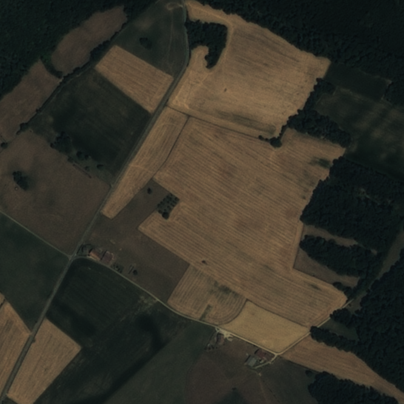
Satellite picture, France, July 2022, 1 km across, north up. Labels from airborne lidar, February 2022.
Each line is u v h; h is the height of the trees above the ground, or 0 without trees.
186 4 0
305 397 0
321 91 19
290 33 25
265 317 0
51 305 0
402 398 0
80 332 0
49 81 0
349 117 0
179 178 0
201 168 0
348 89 0
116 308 0
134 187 0
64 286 0
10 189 0
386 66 24
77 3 21
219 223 0
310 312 0
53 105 0
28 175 0
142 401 0
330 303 0
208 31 25
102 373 0
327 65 0
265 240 0
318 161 0
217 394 0
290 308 0
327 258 17
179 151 0
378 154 0
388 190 24
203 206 0
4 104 0
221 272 0
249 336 0
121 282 0
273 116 0
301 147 0
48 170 0
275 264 0
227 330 0
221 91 0
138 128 0
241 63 0
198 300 0
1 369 0
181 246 0
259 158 0
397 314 26
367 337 25
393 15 7
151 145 0
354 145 0
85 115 0
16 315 0
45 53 18
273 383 0
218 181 0
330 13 16
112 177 0
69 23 22
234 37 0
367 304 24
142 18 0
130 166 0
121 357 0
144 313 0
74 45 0
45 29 21
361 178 20
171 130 0
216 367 0
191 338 0
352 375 0
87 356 0
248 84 0
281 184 0
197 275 0
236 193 0
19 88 0
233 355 0
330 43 22
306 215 18
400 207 0
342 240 0
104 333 0
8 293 0
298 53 0
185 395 0
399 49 11
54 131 0
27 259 0
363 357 27
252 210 0
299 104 0
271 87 0
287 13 21
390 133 0
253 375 0
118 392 0
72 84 0
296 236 0
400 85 17
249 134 0
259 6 20
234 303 0
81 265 0
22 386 0
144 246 0
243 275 0
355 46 24
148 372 0
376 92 0
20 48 22
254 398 0
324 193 28
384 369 29
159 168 0
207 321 0
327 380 28
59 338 0
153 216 0
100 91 0
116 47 0
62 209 0
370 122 0
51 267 0
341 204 27
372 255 25
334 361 0
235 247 0
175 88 0
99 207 0
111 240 0
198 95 0
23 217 0
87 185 0
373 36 10
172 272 0
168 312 0
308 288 0
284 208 0
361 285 17
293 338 0
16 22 19
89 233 0
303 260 0
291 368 0
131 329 0
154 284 0
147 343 0
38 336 0
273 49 0
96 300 0
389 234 31
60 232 0
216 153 0
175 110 0
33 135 0
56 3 24
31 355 0
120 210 0
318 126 23
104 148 0
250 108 0
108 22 0
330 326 0
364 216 28
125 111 0
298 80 0
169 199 6
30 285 0
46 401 0
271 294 0
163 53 0
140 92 0
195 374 0
